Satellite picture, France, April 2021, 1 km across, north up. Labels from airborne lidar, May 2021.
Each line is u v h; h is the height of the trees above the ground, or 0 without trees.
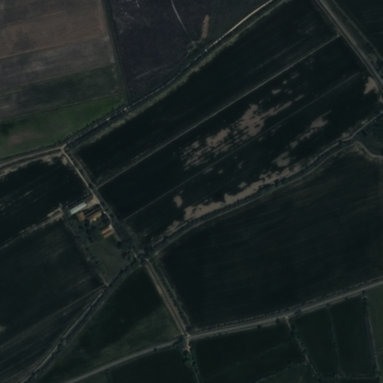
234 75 0
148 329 0
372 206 0
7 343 0
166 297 0
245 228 0
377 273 0
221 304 0
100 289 0
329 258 0
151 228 0
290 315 0
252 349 0
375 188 0
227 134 0
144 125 0
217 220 0
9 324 0
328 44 0
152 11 0
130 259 25
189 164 0
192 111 0
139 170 0
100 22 0
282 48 0
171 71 0
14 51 0
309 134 0
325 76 0
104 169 0
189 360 15
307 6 0
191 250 0
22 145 0
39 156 8
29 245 0
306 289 0
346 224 0
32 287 0
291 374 0
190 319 0
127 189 0
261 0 0
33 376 12
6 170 0
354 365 0
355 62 0
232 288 0
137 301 0
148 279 0
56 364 0
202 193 0
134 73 0
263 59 0
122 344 0
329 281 0
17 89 0
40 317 0
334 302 0
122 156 0
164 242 9
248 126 0
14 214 0
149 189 0
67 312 0
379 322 0
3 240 0
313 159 0
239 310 0
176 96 0
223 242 0
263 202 0
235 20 0
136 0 0
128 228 0
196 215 0
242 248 0
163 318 0
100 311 0
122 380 0
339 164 0
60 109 0
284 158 0
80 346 0
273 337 0
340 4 0
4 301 0
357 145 0
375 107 0
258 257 0
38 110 0
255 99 0
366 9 0
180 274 0
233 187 0
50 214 0
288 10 0
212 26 0
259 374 0
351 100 0
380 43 0
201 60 19
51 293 0
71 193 0
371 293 0
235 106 0
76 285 0
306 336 0
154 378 0
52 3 0
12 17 0
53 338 0
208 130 0
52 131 0
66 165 0
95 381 0
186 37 0
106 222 14
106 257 0
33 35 0
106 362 0
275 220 0
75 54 0
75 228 22
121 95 0
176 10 0
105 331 0
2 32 0
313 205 0
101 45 0
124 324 0
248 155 0
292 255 0
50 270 0
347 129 0
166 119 0
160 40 0
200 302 0
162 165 0
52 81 0
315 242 0
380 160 0
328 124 0
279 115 0
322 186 0
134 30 0
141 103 21
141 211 0
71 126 0
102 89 0
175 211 0
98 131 21
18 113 0
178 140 0
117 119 24
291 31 0
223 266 0
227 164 0
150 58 0
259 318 10
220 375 0
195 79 0
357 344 0
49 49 0
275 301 0
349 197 0
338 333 0
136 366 0
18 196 0
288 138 0
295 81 0
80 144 24
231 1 0
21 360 0
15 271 0
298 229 0
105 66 0
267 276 0
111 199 0
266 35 0
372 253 0
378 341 0
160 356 0
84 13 0
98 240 19
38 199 0
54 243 0
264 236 0
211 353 0
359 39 0
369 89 0
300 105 0
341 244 0
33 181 0
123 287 0
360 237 0
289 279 0
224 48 0
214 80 0
